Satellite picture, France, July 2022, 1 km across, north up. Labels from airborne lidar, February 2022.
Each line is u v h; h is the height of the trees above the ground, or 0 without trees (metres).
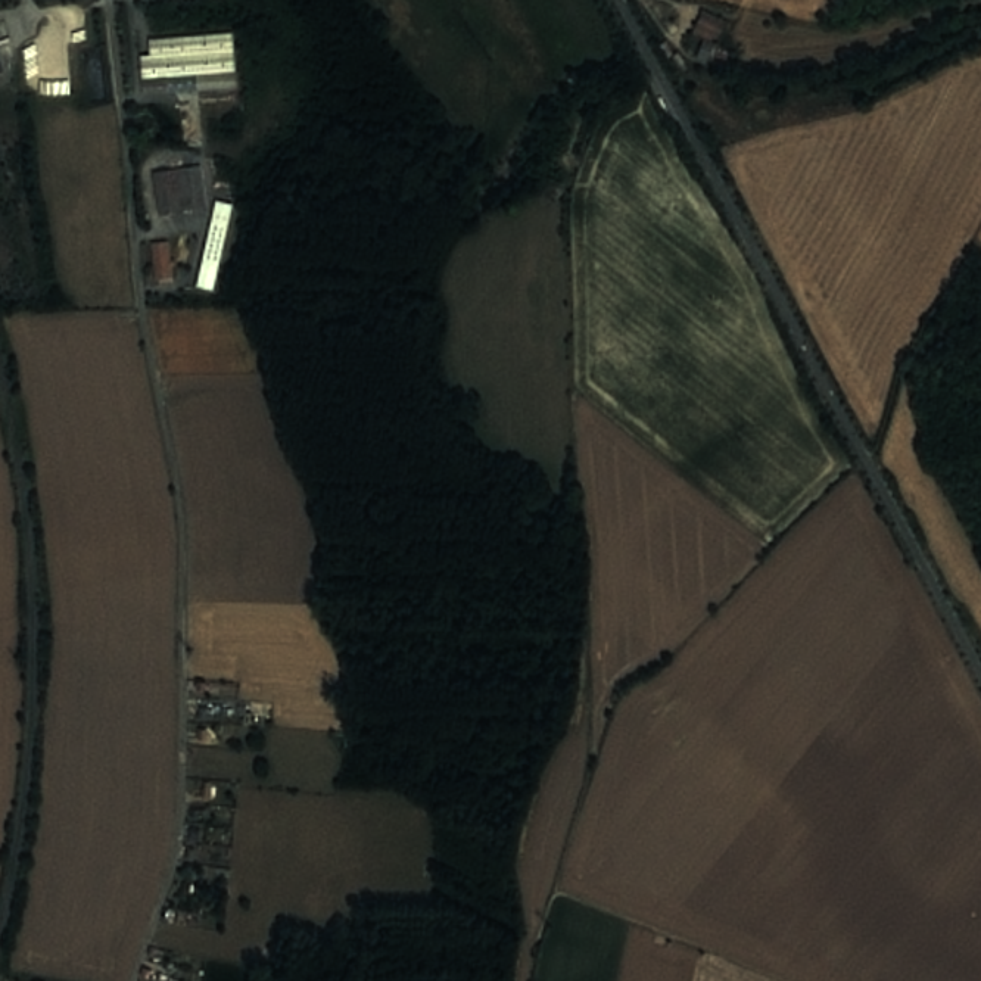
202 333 0
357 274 37
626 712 0
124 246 0
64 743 0
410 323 37
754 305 0
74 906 0
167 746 0
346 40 14
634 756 0
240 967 0
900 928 0
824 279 0
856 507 0
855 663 0
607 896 0
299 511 0
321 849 0
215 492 0
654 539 0
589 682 0
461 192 18
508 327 0
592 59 0
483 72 0
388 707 33
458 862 0
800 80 24
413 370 38
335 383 38
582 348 0
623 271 0
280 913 0
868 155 0
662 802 0
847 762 0
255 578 0
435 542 38
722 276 0
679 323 0
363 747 21
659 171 0
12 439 0
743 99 14
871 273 0
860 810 0
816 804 0
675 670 0
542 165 11
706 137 13
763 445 0
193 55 0
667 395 0
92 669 0
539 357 0
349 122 40
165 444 0
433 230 36
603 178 0
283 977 30
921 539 6
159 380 0
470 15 0
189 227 0
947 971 0
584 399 0
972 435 26
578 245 0
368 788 9
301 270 38
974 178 0
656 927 0
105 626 0
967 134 0
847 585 0
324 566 25
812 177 0
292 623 0
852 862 0
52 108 0
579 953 0
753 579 0
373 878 0
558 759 0
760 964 0
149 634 0
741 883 0
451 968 28
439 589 28
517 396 0
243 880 0
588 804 0
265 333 37
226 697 0
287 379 34
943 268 0
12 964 0
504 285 0
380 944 30
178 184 0
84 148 0
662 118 15
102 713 0
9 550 0
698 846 0
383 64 13
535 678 9
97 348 0
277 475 0
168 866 0
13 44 0
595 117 12
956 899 0
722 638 0
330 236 36
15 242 0
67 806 0
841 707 0
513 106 0
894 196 0
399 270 17
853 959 0
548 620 25
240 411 0
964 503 7
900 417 0
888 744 0
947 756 0
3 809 0
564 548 35
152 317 0
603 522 0
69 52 0
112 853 0
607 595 0
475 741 24
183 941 0
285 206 36
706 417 0
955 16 21
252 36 11
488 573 16
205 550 0
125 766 0
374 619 35
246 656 0
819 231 0
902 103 0
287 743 0
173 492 9
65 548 0
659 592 0
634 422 0
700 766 0
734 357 0
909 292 0
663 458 0
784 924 0
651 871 0
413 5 0
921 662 0
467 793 28
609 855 0
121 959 0
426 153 25
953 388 23
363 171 29
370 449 40
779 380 0
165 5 7
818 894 0
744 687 0
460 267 0
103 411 0
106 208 0
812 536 0
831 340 0
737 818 0
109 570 0
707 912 0
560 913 0
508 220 0
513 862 14
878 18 19
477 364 0
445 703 39
